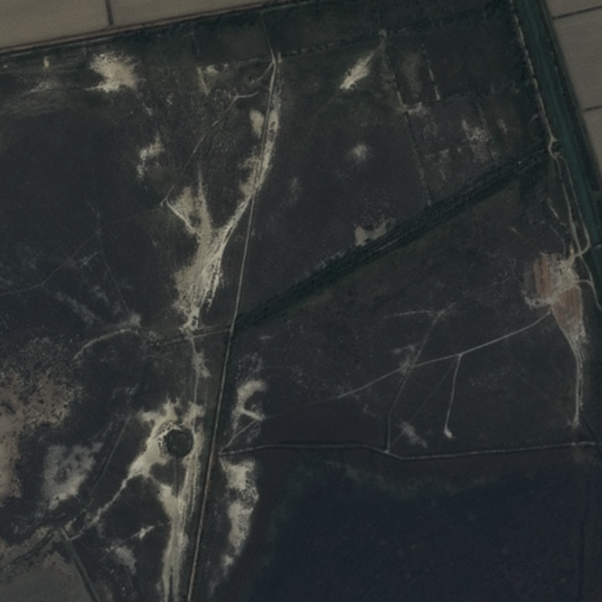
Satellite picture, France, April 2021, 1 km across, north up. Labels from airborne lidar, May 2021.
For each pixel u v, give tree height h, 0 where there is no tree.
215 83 0
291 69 0
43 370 0
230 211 0
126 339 0
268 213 0
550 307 0
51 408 0
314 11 0
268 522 0
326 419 0
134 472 0
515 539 0
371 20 0
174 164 0
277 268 0
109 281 0
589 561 0
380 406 0
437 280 0
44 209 0
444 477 0
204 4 0
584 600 0
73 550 0
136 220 0
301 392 0
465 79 0
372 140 0
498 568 0
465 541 0
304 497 0
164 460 0
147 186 0
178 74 0
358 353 0
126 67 0
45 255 0
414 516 0
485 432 0
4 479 0
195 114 0
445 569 0
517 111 0
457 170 0
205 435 0
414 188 0
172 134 0
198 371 0
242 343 0
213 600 0
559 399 0
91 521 0
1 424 0
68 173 0
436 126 0
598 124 0
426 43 0
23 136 0
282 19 0
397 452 0
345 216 0
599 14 0
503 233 0
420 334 0
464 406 0
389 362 0
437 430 0
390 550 0
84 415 0
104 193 0
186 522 0
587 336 0
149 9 0
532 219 0
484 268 0
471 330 0
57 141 0
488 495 0
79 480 0
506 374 0
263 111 0
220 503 0
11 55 0
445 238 0
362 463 0
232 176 0
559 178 0
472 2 0
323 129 0
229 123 0
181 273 0
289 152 0
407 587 0
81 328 0
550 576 0
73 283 0
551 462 0
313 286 5
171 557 0
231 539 0
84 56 0
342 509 0
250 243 0
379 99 0
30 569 0
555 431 0
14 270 0
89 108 0
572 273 0
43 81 0
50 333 0
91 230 0
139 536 0
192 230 0
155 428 0
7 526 0
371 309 0
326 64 0
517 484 0
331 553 0
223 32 0
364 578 0
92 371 0
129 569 0
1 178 0
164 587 0
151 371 0
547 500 0
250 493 0
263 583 0
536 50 0
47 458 0
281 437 0
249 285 0
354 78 0
